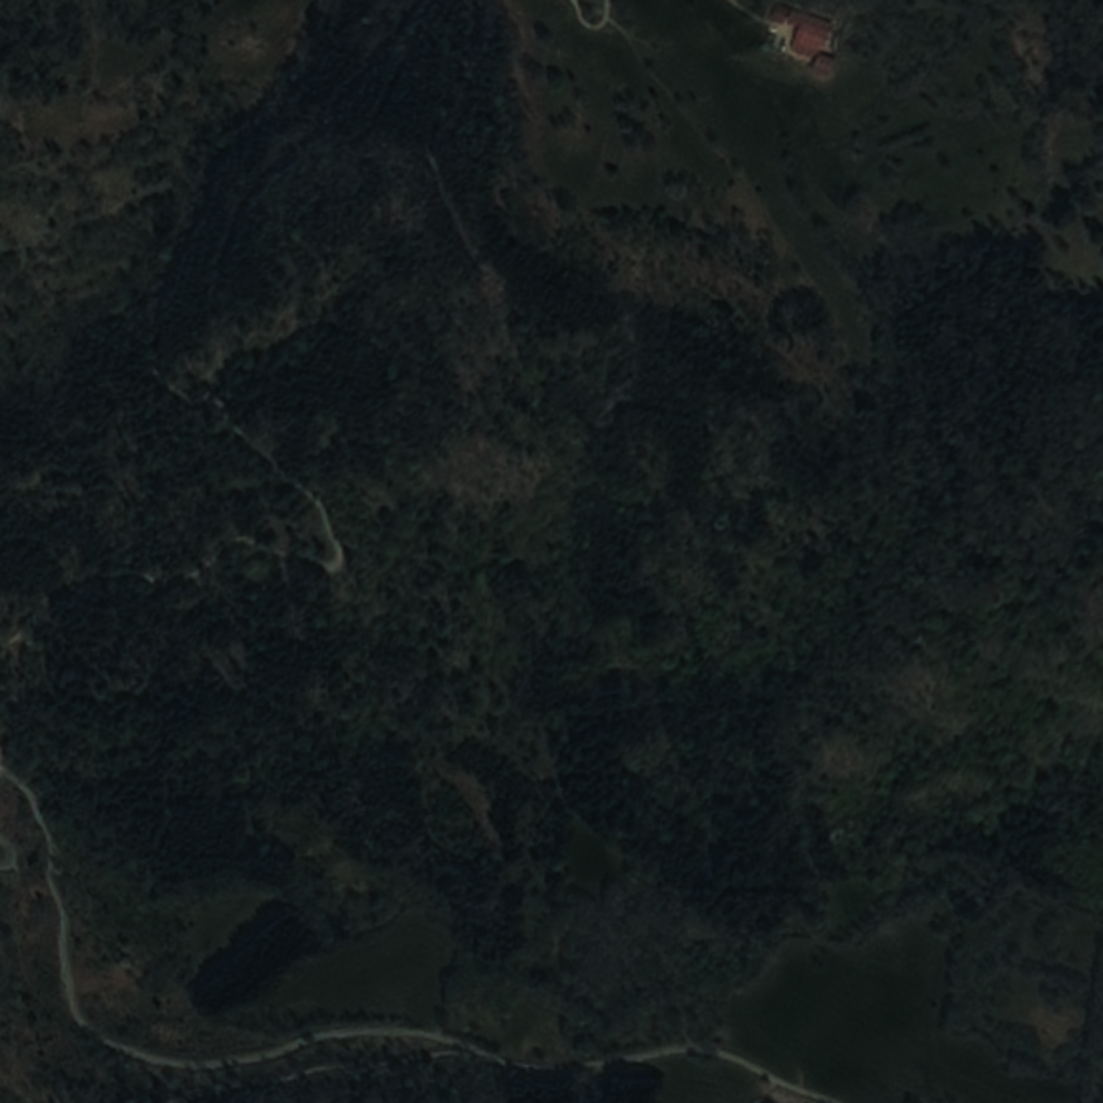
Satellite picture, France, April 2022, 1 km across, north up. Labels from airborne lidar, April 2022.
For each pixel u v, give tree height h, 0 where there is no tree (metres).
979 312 25
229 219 27
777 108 0
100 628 27
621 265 9
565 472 20
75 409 29
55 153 10
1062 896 23
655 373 29
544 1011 0
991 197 0
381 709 19
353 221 20
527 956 21
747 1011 0
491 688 24
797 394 14
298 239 20
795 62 0
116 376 26
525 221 10
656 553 19
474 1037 9
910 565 28
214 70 8
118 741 17
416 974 0
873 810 13
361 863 17
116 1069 22
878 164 0
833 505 22
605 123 0
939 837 26
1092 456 25
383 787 29
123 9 19
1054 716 29
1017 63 21
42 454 26
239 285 25
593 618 19
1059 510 15
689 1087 0
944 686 14
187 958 6
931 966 0
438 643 9
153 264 17
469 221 24
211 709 28
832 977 0
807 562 13
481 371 19
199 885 24
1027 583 30
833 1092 0
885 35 19
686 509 27
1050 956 11
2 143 22
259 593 22
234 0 0
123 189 0
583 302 15
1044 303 26
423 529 14
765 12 8
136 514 18
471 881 20
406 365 16
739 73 0
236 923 0
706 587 13
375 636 19
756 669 25
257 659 21
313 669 24
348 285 11
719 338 25
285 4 0
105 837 24
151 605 20
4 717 22
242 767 32
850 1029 0
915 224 23
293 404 24
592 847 0
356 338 26
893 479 20
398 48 28
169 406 21
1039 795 24
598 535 29
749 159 0
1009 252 26
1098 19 22
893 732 18
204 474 24
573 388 22
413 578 16
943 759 22
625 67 0
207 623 22
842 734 19
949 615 25
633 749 29
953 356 24
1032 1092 0
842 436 14
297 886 18
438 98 24
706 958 22
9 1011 11
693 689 24
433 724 27
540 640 26
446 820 9
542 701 31
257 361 17
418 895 21
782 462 28
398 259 29
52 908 0
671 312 18
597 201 0
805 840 41
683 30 0
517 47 24
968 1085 0
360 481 15
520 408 10
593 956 22
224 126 19
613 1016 19
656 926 19
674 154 0
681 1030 15
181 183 17
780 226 0
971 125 0
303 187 22
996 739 25
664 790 25
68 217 13
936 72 8
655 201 0
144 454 7
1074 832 21
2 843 0
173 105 19
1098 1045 20
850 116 0
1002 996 6
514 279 22
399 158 22
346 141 25
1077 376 23
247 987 21
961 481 28
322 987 0
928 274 31
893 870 23
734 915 30
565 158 0
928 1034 0
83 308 19
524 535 20
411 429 23
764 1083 9
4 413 31
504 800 10
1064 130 0
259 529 16
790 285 0
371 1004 0
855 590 24
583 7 9
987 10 20
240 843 30
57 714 20
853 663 17
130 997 0
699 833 24
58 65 23
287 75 21
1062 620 28
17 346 20
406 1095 10
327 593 19
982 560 24
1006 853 16
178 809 26
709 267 8
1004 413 26
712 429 22
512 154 27
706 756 29
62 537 22
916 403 24
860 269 18
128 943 19
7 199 11
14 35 21
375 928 6
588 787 38
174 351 21
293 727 16
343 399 25
